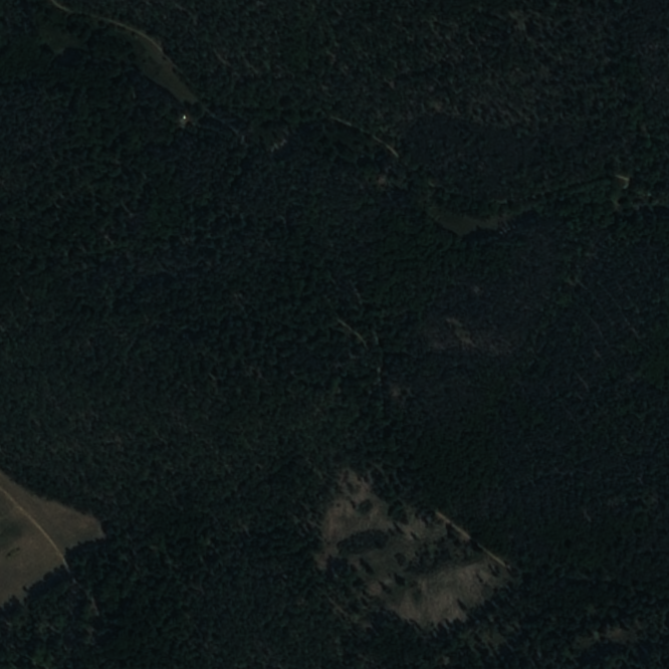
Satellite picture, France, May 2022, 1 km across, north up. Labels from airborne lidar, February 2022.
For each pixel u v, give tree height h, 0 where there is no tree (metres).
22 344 27
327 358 15
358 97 26
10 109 32
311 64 26
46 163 25
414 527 0
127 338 29
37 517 0
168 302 31
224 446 28
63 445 26
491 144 11
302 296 8
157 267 8
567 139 12
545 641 31
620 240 28
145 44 0
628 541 12
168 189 33
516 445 16
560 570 14
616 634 0
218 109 26
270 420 29
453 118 10
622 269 15
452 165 11
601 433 11
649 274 15
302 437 29
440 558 8
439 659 27
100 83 28
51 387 26
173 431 26
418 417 19
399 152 13
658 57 19
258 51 24
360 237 26
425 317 23
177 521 28
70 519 0
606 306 17
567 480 12
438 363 25
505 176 12
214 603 27
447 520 0
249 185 27
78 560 29
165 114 15
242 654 28
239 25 30
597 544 18
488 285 24
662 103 22
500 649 0
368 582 0
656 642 24
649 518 24
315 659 24
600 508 13
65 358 25
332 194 23
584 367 17
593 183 19
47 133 32
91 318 28
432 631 0
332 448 30
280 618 23
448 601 0
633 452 14
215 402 27
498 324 23
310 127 21
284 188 29
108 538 9
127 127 31
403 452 23
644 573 16
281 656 25
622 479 12
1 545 0
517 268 24
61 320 29
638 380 13
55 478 25
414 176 23
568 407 13
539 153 24
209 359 29
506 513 18
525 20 0
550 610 27
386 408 24
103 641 32
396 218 26
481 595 0
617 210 0
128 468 27
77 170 28
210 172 30
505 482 21
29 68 29
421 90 28
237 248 32
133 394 23
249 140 20
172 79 0
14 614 31
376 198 27
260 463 28
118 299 8
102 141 29
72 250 36
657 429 14
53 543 0
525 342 24
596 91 30
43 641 31
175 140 25
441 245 27
